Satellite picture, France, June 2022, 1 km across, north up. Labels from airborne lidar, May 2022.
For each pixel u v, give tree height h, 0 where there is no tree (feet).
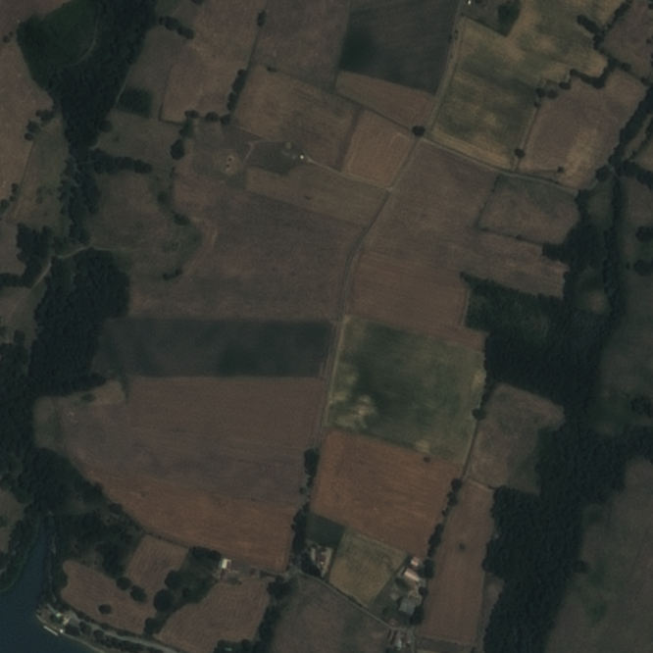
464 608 0
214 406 0
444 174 0
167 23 44
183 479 0
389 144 0
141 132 0
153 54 0
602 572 0
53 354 78
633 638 0
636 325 0
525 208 0
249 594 0
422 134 46
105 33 30
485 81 0
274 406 0
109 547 31
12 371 49
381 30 0
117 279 66
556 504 40
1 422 56
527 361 48
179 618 0
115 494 0
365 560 0
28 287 48
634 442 22
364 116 0
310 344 0
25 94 0
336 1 0
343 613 0
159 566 0
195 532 0
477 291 22
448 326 0
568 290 49
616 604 0
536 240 0
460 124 0
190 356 0
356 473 0
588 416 47
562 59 0
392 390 0
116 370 0
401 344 0
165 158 0
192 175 0
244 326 0
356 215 0
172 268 0
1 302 0
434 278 0
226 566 0
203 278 0
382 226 0
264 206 0
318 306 0
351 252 0
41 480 54
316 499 0
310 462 45
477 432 0
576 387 55
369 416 0
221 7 0
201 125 0
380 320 0
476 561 0
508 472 0
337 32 0
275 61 0
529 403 0
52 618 22
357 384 0
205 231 0
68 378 20
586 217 30
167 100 0
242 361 0
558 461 28
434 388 0
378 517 0
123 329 0
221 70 0
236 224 0
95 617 0
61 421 0
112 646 24
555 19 0
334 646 0
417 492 0
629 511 0
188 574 0
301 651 0
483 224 0
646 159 0
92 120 39
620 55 0
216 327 0
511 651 76
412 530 0
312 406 0
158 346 0
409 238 0
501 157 0
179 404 0
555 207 0
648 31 0
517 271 0
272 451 0
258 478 0
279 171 0
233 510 0
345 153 0
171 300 0
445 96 0
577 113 0
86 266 31
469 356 0
